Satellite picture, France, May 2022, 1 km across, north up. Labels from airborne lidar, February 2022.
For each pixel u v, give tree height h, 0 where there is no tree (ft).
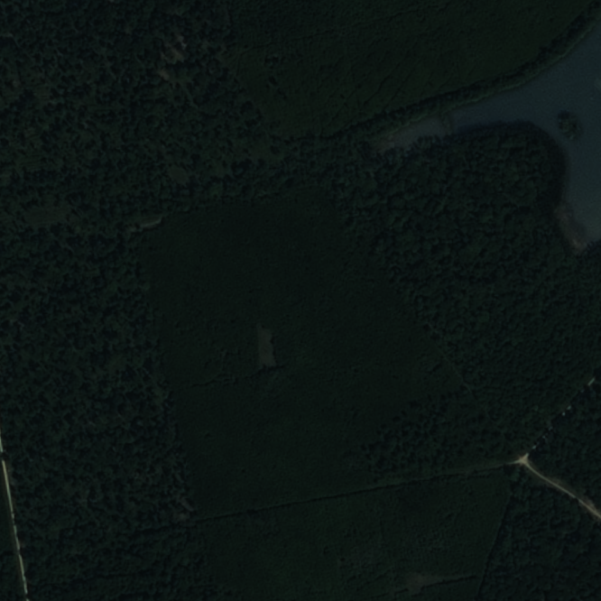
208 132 73
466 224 95
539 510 83
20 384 82
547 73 0
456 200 100
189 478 77
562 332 80
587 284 41
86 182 69
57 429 83
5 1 59
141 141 72
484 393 69
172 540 85
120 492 90
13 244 84
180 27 75
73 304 85
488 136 79
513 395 73
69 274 98
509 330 87
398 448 88
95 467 83
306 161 51
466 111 0
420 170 96
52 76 79
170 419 82
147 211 50
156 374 71
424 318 82
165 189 73
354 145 62
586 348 78
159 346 75
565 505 78
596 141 0
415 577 0
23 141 83
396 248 90
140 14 70
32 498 80
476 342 84
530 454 0
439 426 92
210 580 64
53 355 78
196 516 42
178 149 70
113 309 50
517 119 0
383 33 20
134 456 84
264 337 0
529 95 0
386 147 0
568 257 54
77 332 94
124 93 71
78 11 106
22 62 93
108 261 71
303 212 35
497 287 95
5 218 0
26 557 75
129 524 83
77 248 99
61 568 72
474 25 18
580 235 0
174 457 88
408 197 100
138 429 94
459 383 31
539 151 86
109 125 79
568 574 94
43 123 85
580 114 0
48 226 0
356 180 89
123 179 84
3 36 0
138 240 35
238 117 71
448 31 35
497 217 95
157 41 62
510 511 73
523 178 77
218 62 66
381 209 82
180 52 90
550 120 0
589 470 80
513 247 83
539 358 84
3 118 91
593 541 85
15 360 88
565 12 25
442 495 29
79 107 0
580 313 68
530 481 65
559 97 0
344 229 41
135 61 94
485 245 92
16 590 81
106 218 77
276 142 74
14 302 82
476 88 76
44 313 84
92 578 91
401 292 87
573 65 0
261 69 0
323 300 44
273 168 46
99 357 79
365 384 36
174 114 77
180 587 83
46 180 92
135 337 80
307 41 20
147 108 75
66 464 81
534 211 77
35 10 99
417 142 0
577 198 0
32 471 81
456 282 90
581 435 80
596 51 0
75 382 87
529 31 24
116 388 0
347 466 47
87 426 84
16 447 77
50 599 81
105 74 77
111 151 76
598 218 0
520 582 90
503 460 24
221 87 73
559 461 82
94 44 83
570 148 0
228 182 63
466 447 76
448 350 64
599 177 0
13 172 0
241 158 0
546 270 63
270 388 28
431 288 94
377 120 74
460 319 82
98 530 79
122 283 92
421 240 97
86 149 74
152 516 71
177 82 0
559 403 74
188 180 0
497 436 84
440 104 62
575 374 79
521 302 85
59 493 83
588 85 0
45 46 108
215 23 93
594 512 0
